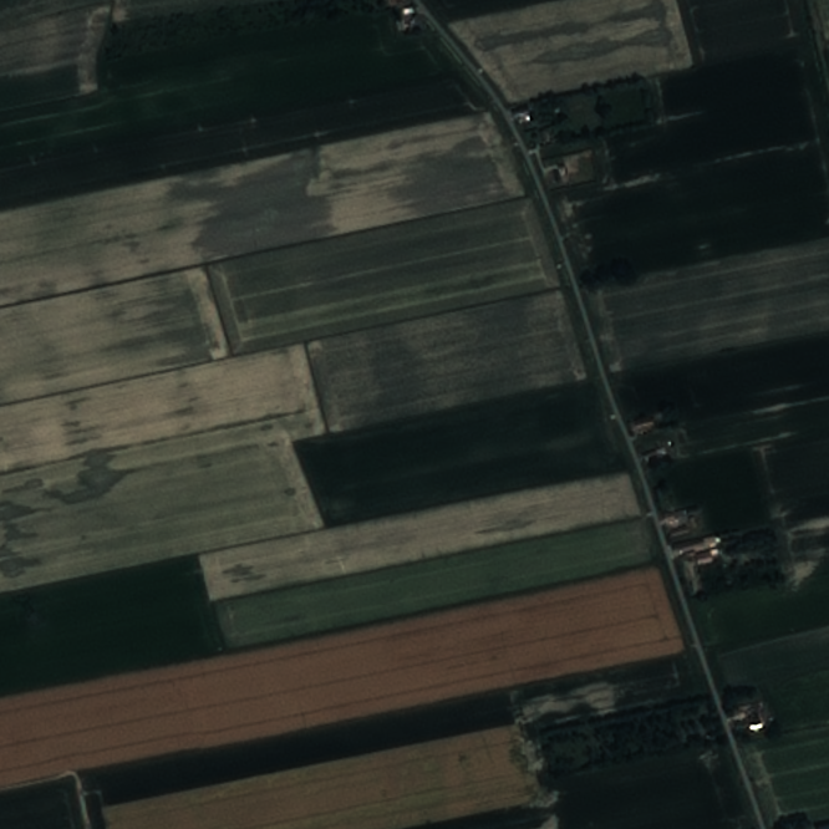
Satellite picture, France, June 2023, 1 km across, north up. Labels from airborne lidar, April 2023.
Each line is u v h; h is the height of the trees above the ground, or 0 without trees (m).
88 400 0
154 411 0
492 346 0
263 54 0
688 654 0
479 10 0
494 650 0
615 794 0
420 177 0
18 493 0
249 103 0
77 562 0
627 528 0
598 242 0
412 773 0
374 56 0
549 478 0
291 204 0
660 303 0
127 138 0
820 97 0
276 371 0
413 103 0
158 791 0
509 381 0
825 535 0
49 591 0
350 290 0
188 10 0
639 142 0
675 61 0
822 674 0
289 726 0
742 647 0
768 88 0
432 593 0
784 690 0
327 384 0
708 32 0
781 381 0
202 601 0
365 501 0
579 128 0
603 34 0
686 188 0
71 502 0
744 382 0
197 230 0
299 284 0
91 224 0
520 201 0
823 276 0
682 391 0
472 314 0
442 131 0
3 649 0
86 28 0
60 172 0
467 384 0
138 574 0
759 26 0
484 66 0
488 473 0
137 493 0
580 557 0
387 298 0
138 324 0
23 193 0
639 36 0
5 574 0
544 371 0
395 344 0
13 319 0
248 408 0
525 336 0
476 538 0
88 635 0
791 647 0
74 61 0
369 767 0
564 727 9
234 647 0
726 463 0
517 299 0
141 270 0
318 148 0
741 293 0
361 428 0
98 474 0
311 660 0
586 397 0
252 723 0
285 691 0
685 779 0
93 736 0
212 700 0
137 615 0
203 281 0
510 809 0
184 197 0
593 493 0
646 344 0
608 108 20
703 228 0
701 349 0
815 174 0
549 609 0
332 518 0
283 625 0
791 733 0
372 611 0
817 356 0
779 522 0
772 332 0
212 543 0
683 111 0
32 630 0
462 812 0
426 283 0
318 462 0
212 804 0
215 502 0
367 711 0
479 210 0
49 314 0
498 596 0
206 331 0
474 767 0
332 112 0
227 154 0
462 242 0
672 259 0
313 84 0
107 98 0
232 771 0
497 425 0
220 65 0
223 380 0
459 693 0
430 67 0
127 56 0
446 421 0
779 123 0
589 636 0
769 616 0
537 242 0
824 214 0
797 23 0
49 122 0
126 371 0
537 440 0
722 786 0
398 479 0
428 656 0
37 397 0
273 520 0
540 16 0
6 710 0
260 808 0
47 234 0
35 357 0
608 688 0
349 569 0
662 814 0
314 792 0
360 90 0
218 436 0
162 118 0
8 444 0
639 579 0
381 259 0
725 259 0
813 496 0
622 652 0
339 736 0
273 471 0
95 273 0
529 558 0
